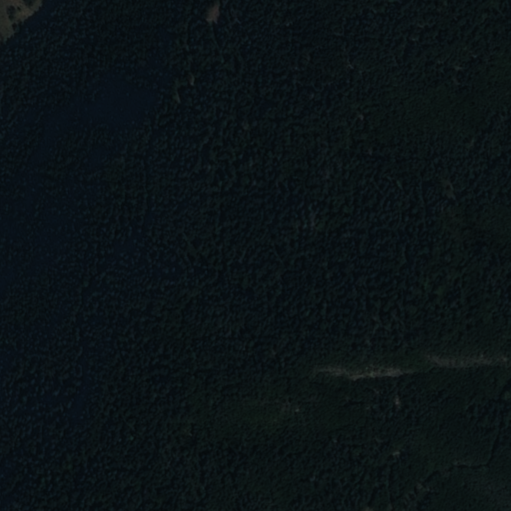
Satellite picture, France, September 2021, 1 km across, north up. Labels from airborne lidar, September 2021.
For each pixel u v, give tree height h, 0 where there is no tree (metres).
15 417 15
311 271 26
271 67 24
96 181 22
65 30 32
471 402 40
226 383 25
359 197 30
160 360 37
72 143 27
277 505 13
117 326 26
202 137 12
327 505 9
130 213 31
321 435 21
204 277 19
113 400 31
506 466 23
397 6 13
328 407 24
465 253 24
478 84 28
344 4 30
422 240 23
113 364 20
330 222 28
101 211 25
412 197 12
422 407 26
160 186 11
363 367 20
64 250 23
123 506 21
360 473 22
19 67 34
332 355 17
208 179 27
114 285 27
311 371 15
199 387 14
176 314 27
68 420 15
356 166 28
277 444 28
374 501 21
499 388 16
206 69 19
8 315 28
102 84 30
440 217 11
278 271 30
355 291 18
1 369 24
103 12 25
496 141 10
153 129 32
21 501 18
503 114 15
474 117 23
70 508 14
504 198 28
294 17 15
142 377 23
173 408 14
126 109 25
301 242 27
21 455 23
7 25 0
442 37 18
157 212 26
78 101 28
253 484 21
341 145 24
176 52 26
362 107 17
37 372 26
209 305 31
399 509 15
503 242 18
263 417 17
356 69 21
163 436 25
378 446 31
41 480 16
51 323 21
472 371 22
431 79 13
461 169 28
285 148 29
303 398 21
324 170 25
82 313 21
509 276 7
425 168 22
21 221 29
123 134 26
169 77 27
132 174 27
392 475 23
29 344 34
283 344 17
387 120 28
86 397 18
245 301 25
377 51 17
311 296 22
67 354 27
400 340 23
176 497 27
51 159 23
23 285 28
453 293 14
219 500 22
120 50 28
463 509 24
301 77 11
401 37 16
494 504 14
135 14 23
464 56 25
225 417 16
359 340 28
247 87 10
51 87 27
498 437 16
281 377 19
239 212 19
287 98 16
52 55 28
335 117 26
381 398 6
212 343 13
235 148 22
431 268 13
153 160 25
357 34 14
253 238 28
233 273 31
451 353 13
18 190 25
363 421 24
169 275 12
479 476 17
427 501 22
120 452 14
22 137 29
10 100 27
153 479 24
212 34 14
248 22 20
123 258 26
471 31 27
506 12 20
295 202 21
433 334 26
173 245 22
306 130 25
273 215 13
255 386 20
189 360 9
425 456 11
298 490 25
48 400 16
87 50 32
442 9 24
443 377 20
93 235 20
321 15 9
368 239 13
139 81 34
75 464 36
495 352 16
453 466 9
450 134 22
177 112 16
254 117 16
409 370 15
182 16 19
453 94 22
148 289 25
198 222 23
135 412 22
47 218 25
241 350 8
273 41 23
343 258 25
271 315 25
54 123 20
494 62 17
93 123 23
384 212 35
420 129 22
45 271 20
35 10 0
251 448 16
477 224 10
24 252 27
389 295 20
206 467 28
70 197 25
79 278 26
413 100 19
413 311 23
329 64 22
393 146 21
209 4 15
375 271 12
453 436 18
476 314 30
